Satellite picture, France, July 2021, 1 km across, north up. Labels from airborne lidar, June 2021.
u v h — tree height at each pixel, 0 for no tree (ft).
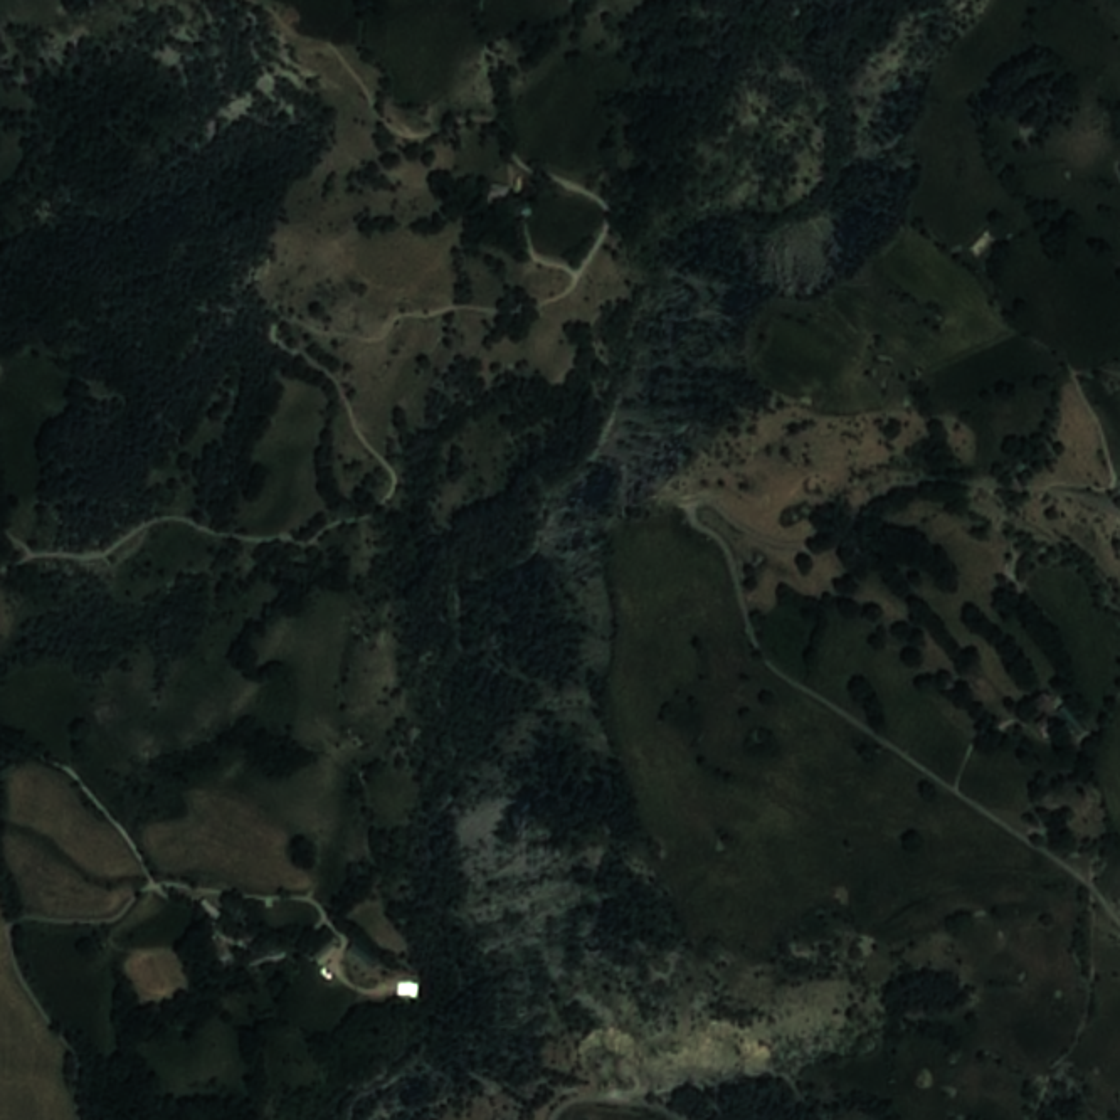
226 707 0
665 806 0
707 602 0
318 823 0
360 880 30
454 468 31
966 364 0
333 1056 44
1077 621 0
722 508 0
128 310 40
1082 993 0
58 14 0
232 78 27
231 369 38
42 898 0
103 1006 0
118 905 0
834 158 26
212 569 20
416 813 23
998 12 0
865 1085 0
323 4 0
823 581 0
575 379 39
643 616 0
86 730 33
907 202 26
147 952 0
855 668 0
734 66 42
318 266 0
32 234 21
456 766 22
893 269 0
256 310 18
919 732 0
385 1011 37
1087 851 25
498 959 21
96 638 28
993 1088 0
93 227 35
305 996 0
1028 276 0
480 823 0
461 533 70
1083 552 22
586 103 0
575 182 0
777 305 0
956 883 0
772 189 24
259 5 20
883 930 0
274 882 0
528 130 0
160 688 18
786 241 0
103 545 25
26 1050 0
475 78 0
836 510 34
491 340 28
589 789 37
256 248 31
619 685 0
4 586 48
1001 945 0
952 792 0
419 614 56
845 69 42
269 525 0
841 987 0
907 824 0
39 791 0
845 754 0
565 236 0
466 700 33
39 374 0
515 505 76
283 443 0
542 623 30
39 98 45
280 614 34
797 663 0
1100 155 0
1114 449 0
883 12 55
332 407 25
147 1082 49
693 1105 33
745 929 0
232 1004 0
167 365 46
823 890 0
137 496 42
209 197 52
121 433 26
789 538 0
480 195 38
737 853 0
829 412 0
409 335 0
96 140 31
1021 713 41
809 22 51
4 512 46
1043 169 0
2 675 40
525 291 24
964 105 0
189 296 30
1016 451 46
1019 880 0
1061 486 0
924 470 21
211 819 0
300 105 19
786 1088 26
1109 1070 0
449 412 26
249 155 29
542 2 0
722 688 0
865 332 0
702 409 37
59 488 38
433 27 0
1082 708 29
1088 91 0
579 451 62
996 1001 0
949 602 0
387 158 35
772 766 0
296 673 0
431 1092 26
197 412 37
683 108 74
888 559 55
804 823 0
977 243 0
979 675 0
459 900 21
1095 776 25
